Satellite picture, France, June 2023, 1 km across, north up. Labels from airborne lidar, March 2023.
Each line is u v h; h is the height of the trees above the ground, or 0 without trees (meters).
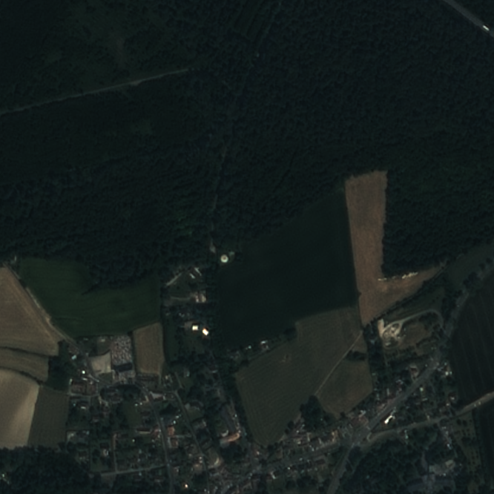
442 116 25
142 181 17
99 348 0
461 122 24
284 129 26
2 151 11
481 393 0
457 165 15
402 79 28
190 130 6
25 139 10
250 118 27
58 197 26
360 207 0
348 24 28
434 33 24
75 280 0
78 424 0
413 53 26
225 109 24
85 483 21
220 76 26
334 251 0
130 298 0
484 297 0
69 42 6
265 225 14
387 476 21
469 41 26
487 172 14
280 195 10
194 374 7
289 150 13
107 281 17
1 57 14
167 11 31
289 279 0
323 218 0
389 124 24
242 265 0
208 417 16
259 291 0
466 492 26
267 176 16
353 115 24
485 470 13
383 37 24
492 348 0
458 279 0
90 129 8
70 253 22
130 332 8
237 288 0
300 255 0
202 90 29
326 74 30
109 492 16
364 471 18
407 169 13
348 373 0
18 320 0
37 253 17
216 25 28
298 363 0
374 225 0
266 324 0
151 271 10
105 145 6
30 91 11
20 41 13
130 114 8
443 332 13
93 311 0
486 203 14
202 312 10
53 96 6
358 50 24
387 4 25
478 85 25
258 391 0
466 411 0
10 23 13
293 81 23
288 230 0
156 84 9
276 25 26
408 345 0
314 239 0
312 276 0
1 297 0
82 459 0
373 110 21
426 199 14
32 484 16
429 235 17
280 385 0
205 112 26
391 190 19
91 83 0
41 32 12
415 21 27
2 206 15
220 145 15
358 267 0
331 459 0
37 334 0
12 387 0
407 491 17
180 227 12
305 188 13
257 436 0
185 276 0
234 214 20
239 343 0
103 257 18
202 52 19
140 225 19
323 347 0
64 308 0
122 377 0
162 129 8
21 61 8
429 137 17
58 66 6
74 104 7
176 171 13
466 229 18
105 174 17
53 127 6
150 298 0
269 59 25
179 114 7
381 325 0
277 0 11
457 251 14
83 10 0
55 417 0
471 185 11
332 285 0
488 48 28
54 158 9
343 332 0
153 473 13
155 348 0
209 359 12
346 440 0
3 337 0
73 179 25
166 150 20
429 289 7
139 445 13
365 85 26
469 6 11
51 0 14
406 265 29
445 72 27
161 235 17
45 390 0
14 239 9
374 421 0
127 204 17
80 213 14
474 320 0
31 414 0
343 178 10
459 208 11
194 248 24
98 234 16
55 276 0
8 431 0
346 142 14
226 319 0
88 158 7
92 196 16
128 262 29
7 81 13
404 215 16
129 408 0
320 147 15
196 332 0
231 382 10
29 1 14
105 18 0
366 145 14
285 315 0
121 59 0
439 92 26
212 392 10
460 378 0
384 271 16
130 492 10
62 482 24
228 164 14
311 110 28
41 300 0
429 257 30
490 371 0
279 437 0
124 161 8
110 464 18
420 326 0
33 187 23
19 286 0
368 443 0
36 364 0
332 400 0
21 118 10
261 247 0
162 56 8
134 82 0
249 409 0
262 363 0
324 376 0
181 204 9
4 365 0
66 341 0
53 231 17
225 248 15
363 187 0
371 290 0
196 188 6
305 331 0
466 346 0
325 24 26
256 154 9
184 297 0
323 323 0
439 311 0
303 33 28
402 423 9
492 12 24
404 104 23
